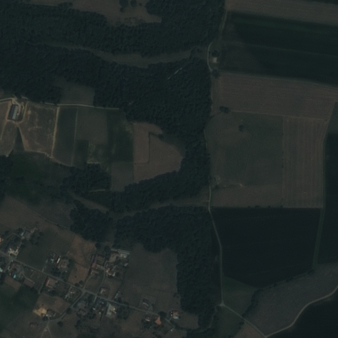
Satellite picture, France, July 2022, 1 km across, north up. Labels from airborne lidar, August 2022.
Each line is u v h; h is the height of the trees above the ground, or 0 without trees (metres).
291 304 0
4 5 23
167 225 28
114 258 0
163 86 22
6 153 0
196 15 23
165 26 22
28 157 0
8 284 0
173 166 0
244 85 0
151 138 0
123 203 27
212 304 8
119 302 12
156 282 0
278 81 0
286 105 0
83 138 0
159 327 7
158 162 0
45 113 0
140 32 24
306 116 0
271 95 0
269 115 0
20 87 19
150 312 0
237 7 0
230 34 0
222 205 0
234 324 0
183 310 12
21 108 0
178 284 16
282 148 0
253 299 9
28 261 0
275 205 0
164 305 0
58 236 0
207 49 0
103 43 18
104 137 0
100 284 0
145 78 23
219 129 0
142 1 0
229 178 0
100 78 25
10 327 0
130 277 0
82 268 0
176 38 29
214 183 0
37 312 0
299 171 0
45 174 0
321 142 0
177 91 13
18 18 24
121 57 0
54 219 0
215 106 0
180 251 16
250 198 0
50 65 23
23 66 23
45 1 0
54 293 14
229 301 0
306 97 0
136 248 0
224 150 0
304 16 0
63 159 0
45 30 28
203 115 25
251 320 0
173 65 8
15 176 0
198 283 20
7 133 0
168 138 0
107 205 9
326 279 0
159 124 16
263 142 0
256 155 0
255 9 0
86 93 0
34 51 25
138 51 14
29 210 0
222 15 10
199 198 0
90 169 19
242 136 0
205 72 19
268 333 0
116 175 0
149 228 22
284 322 0
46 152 0
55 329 0
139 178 0
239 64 0
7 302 0
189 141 11
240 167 0
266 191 0
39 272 0
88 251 0
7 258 0
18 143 0
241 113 0
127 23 0
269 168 0
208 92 17
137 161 0
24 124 0
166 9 23
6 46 22
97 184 16
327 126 0
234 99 0
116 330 0
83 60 25
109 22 0
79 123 0
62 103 0
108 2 0
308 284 0
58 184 0
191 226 22
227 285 0
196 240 23
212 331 12
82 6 0
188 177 17
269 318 0
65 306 0
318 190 0
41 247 0
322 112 0
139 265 0
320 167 0
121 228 22
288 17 0
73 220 14
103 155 0
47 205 0
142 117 13
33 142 0
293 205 0
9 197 0
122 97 22
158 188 27
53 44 0
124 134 0
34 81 26
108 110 0
